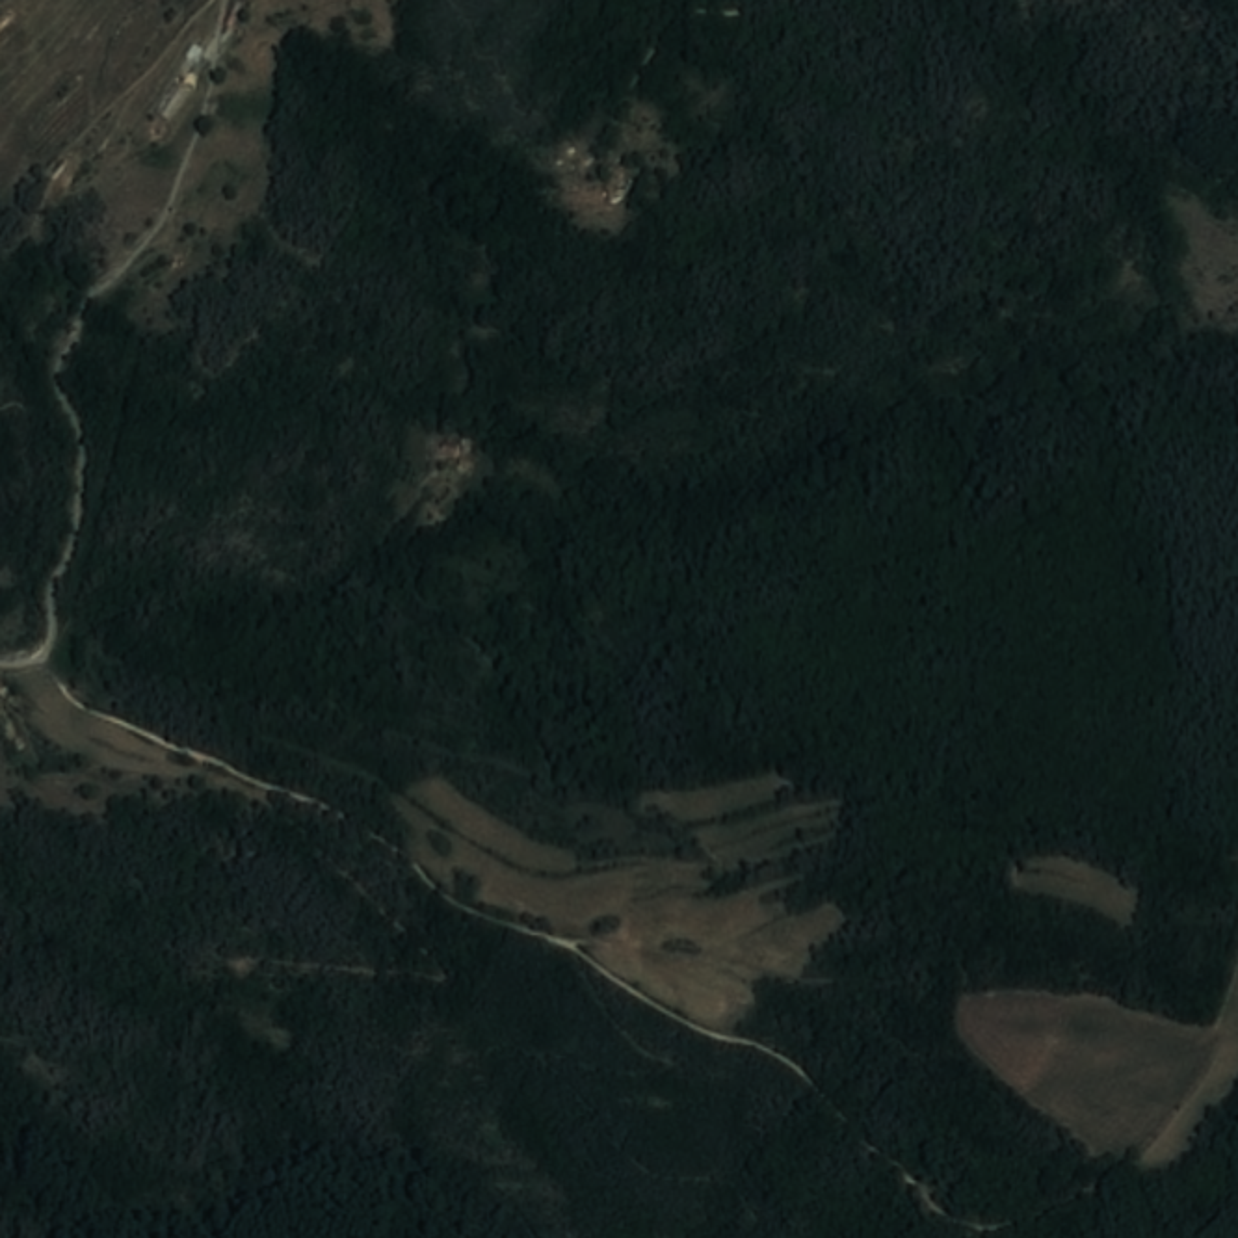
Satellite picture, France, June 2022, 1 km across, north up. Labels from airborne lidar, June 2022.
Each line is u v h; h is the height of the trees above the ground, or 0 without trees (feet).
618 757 62
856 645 49
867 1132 51
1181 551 51
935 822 58
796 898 32
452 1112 27
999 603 39
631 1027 24
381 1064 33
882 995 29
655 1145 31
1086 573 57
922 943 27
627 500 64
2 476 34
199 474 21
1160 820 62
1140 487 31
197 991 31
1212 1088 0
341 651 39
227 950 46
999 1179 41
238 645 42
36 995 78
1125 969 25
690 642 46
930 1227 53
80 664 35
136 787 0
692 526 60
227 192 38
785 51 53
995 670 46
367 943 22
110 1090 22
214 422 51
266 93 0
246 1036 26
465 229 61
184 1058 29
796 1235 65
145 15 0
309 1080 47
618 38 45
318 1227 130
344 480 34
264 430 40
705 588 43
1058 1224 50
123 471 35
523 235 39
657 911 0
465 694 33
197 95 0
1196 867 29
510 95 0
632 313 39
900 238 76
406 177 35
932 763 52
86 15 0
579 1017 35
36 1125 51
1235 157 89
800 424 45
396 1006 29
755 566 50
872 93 65
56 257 68
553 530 57
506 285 71
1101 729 46
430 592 30
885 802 59
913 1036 36
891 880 30
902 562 36
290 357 47
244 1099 45
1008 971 31
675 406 59
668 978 0
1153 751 49
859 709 61
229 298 57
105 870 56
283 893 61
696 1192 37
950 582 36
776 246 64
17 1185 94
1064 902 27
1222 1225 84
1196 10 47
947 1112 48
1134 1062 0
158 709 59
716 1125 42
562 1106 35
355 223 39
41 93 0
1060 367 60
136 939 47
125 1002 45
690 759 30
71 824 30
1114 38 31
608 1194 29
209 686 47
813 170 39
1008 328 30
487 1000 33
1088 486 62
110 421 41
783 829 0
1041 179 51
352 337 46
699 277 65
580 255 33
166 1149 30
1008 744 48
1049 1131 41
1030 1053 0
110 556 31
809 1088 30
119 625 50
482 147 49
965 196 67
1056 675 51
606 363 48
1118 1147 0
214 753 52
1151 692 47
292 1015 34
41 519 51
